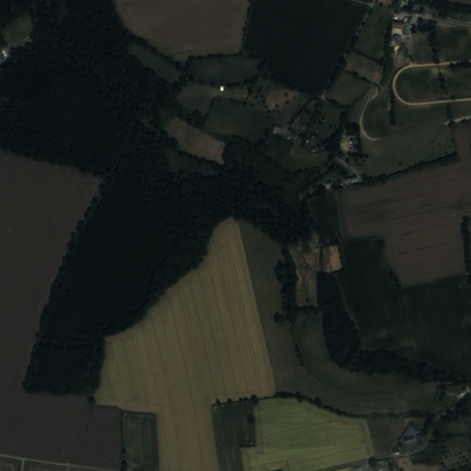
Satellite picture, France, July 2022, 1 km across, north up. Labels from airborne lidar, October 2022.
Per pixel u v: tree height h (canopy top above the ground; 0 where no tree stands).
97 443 0
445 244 0
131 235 11
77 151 15
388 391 0
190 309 0
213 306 0
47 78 22
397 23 0
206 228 19
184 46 0
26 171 0
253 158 0
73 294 9
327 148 15
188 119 11
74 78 15
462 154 0
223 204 19
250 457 0
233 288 0
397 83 0
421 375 11
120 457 0
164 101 13
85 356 25
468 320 0
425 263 0
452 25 0
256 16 0
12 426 0
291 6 0
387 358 18
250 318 0
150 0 0
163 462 0
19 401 0
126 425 0
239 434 0
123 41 8
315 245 0
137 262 11
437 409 0
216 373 0
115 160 11
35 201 0
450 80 0
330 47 0
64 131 15
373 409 0
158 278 18
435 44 8
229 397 0
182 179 10
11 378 0
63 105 13
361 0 0
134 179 7
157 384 0
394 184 0
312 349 0
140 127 22
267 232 12
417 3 10
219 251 0
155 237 12
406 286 0
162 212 19
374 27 0
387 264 0
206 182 24
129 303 10
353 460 0
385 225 0
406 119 0
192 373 0
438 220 0
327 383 0
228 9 0
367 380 0
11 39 0
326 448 0
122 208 10
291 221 28
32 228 0
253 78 8
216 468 0
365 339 0
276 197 11
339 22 0
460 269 0
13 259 0
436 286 0
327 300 20
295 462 0
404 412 0
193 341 0
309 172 9
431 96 0
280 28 0
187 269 22
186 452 0
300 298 0
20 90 23
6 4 21
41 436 0
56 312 9
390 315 0
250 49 0
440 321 0
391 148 0
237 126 0
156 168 11
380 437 0
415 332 0
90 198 0
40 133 14
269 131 11
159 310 0
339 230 0
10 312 0
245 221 12
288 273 24
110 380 0
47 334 8
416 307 0
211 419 0
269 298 0
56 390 20
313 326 0
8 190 0
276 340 0
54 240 0
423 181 0
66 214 0
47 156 13
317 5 0
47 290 0
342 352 16
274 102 0
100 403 0
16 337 0
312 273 0
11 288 0
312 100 11
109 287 9
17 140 15
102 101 15
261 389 0
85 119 16
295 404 0
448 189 0
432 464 0
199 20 0
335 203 0
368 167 0
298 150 0
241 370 0
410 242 0
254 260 0
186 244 22
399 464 0
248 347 0
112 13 11
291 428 0
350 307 0
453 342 0
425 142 0
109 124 15
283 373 0
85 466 0
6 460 0
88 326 9
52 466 0
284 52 0
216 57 10
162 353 0
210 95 0
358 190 0
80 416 0
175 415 0
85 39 38
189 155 7
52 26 22
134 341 0
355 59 0
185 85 12
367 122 0
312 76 0
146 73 15
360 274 0
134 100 9
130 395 0
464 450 0
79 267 8
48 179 0
